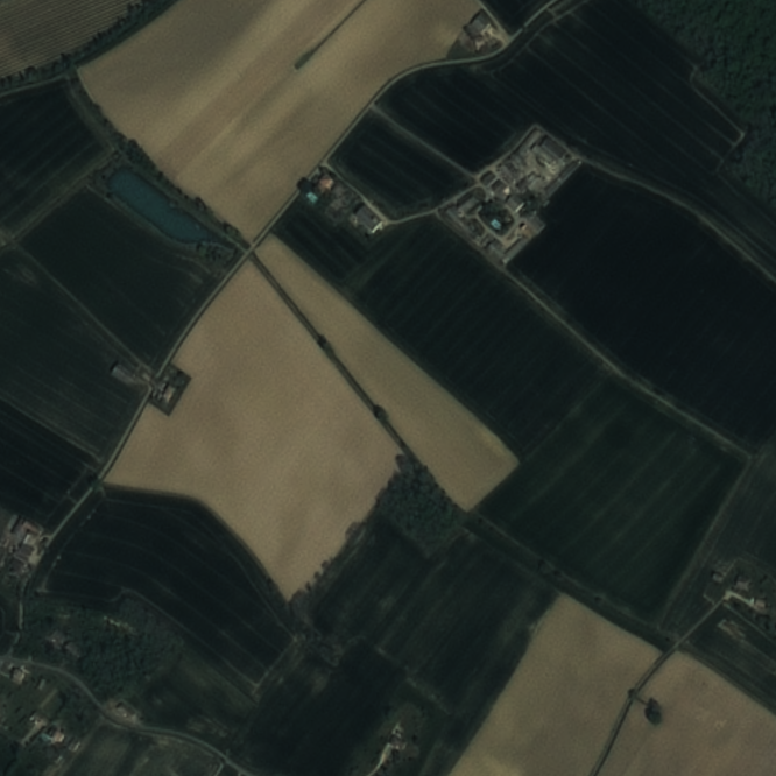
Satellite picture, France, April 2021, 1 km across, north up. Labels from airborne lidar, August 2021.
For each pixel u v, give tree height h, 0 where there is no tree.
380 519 0
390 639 0
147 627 16
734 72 17
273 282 0
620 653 0
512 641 0
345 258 0
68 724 0
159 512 0
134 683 13
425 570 0
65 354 0
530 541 0
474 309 0
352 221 0
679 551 0
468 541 0
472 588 0
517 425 0
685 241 0
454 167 0
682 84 0
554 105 0
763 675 0
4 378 0
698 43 20
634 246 0
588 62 0
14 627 0
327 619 0
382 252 0
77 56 8
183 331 0
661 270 0
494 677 0
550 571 10
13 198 0
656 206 0
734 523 0
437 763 0
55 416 0
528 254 0
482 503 0
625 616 0
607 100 0
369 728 0
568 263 0
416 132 0
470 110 0
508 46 0
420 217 0
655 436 0
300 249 0
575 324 0
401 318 0
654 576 0
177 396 0
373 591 0
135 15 15
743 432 0
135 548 0
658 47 0
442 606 0
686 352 0
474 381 0
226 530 0
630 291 0
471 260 0
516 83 0
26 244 0
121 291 0
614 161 0
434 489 16
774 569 0
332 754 0
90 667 16
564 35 0
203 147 0
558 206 0
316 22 0
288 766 0
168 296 0
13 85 15
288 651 0
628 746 0
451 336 0
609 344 0
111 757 0
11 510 0
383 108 0
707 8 15
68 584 0
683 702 0
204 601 0
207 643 0
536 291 0
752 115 19
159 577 0
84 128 0
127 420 0
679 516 0
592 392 0
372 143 0
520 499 0
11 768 7
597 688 0
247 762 0
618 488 0
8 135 0
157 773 0
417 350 0
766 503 0
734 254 0
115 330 0
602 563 0
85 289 0
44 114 0
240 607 0
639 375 0
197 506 0
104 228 0
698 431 0
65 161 0
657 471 0
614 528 0
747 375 0
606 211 0
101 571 0
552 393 0
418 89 0
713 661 0
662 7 16
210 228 0
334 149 0
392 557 0
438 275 0
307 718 0
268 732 0
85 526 0
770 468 0
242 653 0
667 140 0
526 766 0
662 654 0
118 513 0
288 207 0
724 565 0
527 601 0
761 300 0
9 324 0
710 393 0
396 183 0
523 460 0
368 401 0
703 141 0
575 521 0
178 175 0
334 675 0
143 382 0
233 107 0
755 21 17
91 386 0
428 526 15
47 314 0
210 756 0
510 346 0
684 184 0
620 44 0
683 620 0
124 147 13
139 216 0
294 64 0
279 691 0
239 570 0
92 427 0
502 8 0
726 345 0
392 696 0
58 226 0
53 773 0
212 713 0
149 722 6
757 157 20
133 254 0
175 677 0
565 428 0
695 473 0
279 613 0
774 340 0
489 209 7
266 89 0
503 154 0
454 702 0
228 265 7
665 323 0
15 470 0
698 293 0
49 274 0
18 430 0
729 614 0
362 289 0
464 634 0
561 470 0
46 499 0
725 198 0
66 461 0
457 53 0
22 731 0
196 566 0
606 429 0
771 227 0
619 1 0
